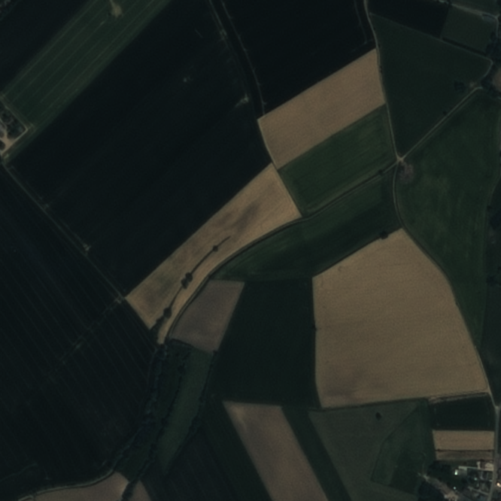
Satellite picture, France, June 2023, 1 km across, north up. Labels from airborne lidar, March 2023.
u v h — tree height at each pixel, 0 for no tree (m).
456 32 0
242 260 0
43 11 0
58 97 0
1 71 0
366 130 0
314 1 0
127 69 0
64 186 0
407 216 0
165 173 0
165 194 0
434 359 0
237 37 0
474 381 0
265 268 0
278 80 0
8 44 0
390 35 0
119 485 0
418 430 0
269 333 0
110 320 0
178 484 0
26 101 0
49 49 0
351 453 0
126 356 0
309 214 0
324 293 0
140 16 0
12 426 0
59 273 0
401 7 0
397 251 0
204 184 0
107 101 0
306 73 0
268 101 0
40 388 0
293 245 0
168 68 0
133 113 0
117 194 0
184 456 0
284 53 0
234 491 0
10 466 0
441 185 0
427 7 0
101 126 0
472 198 0
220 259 0
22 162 0
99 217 0
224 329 0
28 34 0
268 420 0
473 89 0
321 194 0
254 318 0
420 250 0
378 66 0
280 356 0
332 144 0
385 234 10
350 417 0
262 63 0
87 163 0
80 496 0
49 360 0
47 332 0
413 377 0
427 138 0
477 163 0
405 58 0
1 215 0
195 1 0
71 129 0
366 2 0
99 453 0
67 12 0
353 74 0
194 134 0
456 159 0
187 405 0
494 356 0
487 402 0
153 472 0
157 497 0
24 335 0
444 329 0
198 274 0
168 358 7
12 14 0
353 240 0
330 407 0
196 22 0
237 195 0
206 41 0
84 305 0
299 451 0
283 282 0
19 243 0
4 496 0
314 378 0
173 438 0
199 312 0
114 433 0
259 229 0
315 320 0
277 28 0
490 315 0
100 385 0
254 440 0
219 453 0
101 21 0
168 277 0
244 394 0
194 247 0
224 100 0
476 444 0
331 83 0
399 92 0
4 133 0
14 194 0
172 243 0
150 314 0
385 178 0
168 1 0
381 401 0
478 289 0
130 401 0
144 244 0
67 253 0
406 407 0
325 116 0
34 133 0
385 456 0
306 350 0
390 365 0
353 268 0
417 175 0
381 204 0
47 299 0
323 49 0
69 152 0
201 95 0
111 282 0
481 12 0
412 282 0
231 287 0
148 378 0
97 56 0
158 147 0
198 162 0
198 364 0
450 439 0
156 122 0
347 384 0
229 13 0
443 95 0
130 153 0
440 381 0
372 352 0
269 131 0
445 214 0
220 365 0
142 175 0
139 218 0
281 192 0
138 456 0
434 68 0
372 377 0
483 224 0
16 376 0
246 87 0
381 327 0
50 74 0
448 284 0
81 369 0
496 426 0
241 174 0
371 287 0
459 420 0
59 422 0
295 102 0
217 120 0
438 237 0
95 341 0
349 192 0
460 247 0
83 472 0
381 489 0
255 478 0
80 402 0
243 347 0
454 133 0
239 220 0
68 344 0
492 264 0
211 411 0
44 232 0
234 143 0
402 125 0
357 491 0
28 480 0
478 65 0
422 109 0
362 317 0
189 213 0
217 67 0
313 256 0
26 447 0
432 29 0
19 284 0
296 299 0
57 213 0
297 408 0
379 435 0
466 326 0
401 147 0
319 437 0
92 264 0
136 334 0
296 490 0
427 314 0
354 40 0
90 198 0
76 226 0
